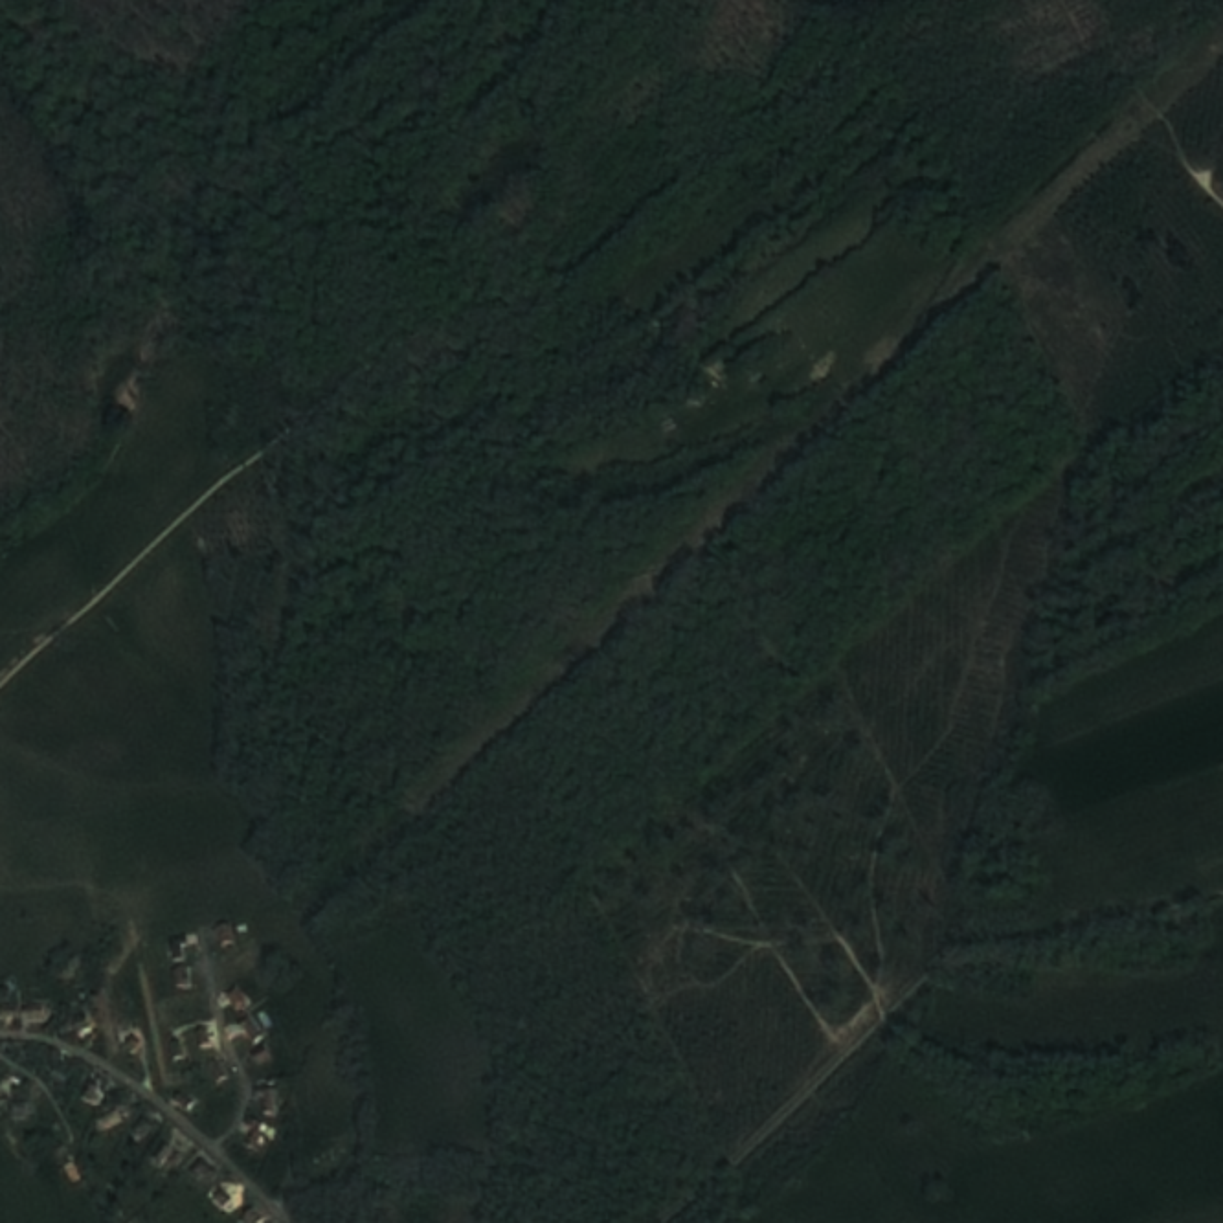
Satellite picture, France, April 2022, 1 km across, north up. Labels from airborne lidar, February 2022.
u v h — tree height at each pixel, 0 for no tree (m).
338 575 22
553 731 26
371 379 29
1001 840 12
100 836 0
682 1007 0
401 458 27
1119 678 0
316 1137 0
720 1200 11
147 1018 0
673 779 26
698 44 19
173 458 0
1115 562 28
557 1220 26
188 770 0
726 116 21
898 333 0
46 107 25
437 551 28
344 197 27
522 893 17
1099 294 0
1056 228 0
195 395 0
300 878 22
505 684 29
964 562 0
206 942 0
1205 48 0
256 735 10
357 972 0
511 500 31
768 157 24
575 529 24
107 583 0
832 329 0
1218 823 0
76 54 27
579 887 0
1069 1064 21
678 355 22
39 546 0
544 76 35
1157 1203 0
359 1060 6
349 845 10
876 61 30
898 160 20
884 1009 0
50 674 0
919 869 27
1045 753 0
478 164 27
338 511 27
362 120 29
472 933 21
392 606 23
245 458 0
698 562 27
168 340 7
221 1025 0
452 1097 0
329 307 26
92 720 0
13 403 23
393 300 29
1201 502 17
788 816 26
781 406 17
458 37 22
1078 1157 0
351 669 20
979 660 0
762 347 9
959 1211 0
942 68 18
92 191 28
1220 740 0
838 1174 0
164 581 0
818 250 0
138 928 0
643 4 29
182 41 25
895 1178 0
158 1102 0
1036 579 0
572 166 20
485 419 19
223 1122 0
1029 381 28
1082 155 0
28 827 0
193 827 0
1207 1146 0
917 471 28
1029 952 24
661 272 0
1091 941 24
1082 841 0
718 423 0
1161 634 23
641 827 27
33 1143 14
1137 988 0
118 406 11
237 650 22
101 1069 0
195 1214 0
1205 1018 0
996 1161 0
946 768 0
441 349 26
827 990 0
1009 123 15
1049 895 0
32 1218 0
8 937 0
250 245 31
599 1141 25
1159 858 0
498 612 28
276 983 23
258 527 0
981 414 27
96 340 23
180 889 0
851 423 26
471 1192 26
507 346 30
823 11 23
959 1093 20
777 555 30
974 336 28
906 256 0
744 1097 0
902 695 0
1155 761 0
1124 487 24
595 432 13
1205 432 27
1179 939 20
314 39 26
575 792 22
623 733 27
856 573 29
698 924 26
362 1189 20
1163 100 0
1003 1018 0
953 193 19
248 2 28
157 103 28
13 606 0
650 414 12
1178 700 0
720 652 29
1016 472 26
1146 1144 0
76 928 0
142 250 29
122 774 0
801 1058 0
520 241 24
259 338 30
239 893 0
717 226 0
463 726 19
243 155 33
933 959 0
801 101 28
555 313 26
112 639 0
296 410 30
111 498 0
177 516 0
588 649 0
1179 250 15
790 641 26
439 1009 0
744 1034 0
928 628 0
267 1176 0
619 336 23
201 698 0
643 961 27
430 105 27
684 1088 16
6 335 20
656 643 27
